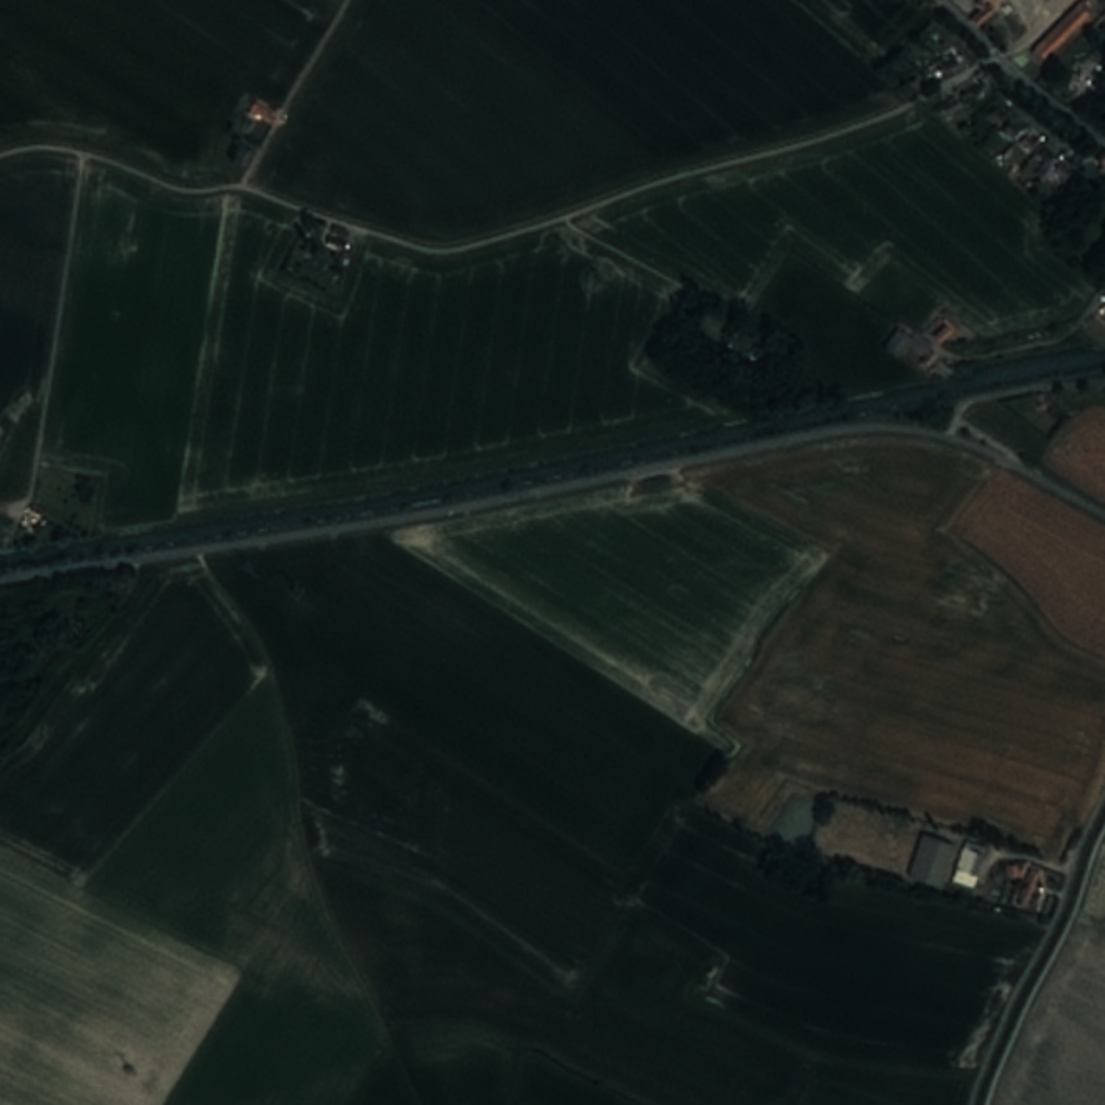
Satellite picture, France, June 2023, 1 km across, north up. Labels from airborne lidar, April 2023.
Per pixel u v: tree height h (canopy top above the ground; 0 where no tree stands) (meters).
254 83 0
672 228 0
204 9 0
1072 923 0
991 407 0
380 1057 0
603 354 0
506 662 0
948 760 0
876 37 0
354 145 0
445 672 0
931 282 0
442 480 0
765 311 0
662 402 0
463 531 0
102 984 0
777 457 0
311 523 8
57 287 0
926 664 0
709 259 0
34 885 0
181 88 0
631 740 0
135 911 0
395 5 0
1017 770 0
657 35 0
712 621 0
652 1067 0
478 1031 0
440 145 0
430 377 0
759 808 0
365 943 0
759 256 0
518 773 0
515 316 0
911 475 0
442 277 0
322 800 0
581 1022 0
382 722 0
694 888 0
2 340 0
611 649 0
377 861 0
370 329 0
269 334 0
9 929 0
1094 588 0
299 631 0
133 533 0
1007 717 0
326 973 0
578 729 0
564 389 0
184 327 0
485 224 0
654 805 0
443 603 0
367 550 0
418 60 0
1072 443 0
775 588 0
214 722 0
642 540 0
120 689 0
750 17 0
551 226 0
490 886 0
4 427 0
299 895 0
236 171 0
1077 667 0
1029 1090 0
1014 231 0
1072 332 0
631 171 0
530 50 0
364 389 0
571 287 0
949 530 0
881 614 0
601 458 0
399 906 0
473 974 0
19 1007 0
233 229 0
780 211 0
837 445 0
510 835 0
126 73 0
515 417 0
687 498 0
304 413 0
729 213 0
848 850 0
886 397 0
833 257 0
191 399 0
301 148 0
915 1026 0
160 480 0
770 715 0
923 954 0
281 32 0
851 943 0
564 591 0
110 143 0
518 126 0
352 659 0
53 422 0
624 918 0
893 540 0
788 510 0
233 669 0
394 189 0
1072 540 0
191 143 0
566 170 0
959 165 0
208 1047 0
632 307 0
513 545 0
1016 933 0
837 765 0
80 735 0
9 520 0
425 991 0
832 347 0
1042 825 0
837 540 0
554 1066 0
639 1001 0
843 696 0
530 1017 0
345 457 0
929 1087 0
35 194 0
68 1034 0
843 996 0
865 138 0
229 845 0
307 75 0
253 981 0
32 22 0
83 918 0
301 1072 0
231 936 0
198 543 0
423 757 0
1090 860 0
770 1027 0
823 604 0
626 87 0
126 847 0
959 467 0
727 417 0
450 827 0
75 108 0
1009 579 0
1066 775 0
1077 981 0
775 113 0
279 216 0
